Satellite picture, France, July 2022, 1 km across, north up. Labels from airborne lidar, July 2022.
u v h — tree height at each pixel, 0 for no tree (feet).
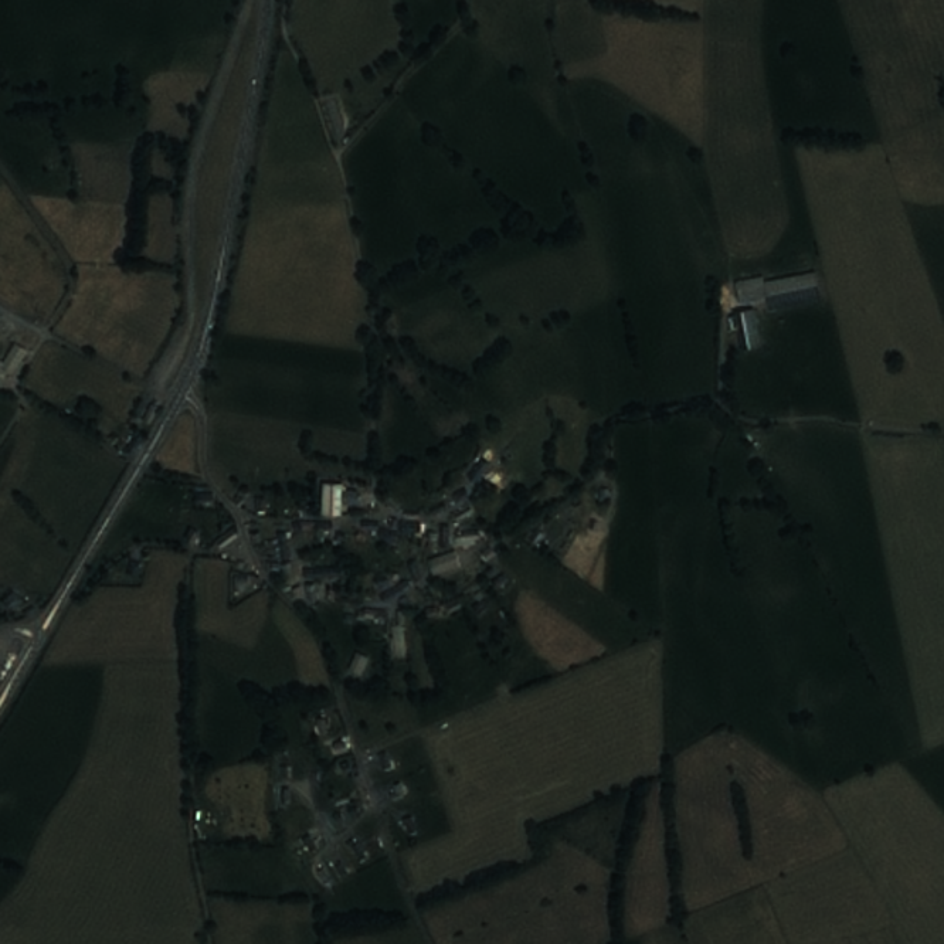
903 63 0
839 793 0
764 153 0
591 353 0
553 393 0
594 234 0
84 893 0
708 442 0
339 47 0
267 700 78
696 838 0
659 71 0
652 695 0
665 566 0
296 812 0
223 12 0
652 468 0
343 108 0
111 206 0
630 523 0
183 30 0
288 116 0
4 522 0
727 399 56
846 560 0
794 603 0
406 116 0
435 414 0
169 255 0
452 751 0
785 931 0
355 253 0
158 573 0
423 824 0
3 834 0
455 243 0
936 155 0
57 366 0
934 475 0
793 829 0
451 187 0
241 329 0
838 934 0
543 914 0
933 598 0
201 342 0
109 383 0
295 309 0
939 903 0
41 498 0
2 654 0
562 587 0
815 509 0
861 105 0
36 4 0
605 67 0
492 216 0
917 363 0
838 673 0
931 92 0
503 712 0
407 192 0
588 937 0
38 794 0
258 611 0
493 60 0
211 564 0
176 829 0
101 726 0
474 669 0
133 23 0
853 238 0
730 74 0
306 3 0
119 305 0
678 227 0
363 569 20
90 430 39
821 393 0
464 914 0
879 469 0
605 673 0
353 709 0
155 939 0
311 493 38
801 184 0
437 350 0
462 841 0
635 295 0
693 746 0
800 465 0
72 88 0
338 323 0
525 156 0
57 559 0
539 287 0
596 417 0
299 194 0
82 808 0
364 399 21
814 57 0
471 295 46
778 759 0
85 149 0
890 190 0
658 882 0
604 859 0
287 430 0
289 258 0
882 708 0
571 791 0
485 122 0
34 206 0
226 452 0
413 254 0
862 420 0
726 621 0
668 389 0
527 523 48
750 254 0
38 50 0
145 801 0
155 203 0
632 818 47
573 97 0
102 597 0
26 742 0
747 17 0
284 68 0
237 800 0
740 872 0
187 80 0
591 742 0
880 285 0
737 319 0
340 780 0
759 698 0
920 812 0
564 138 0
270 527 0
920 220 0
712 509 0
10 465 0
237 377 0
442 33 53
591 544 0
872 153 0
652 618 0
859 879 0
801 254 0
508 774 0
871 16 0
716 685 0
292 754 0
